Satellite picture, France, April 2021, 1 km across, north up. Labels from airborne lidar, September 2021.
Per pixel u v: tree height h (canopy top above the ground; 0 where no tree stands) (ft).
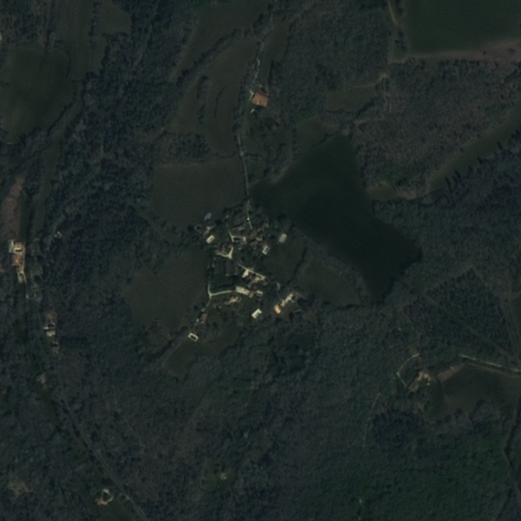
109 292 58
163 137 37
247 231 21
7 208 0
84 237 48
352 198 0
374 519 60
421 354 20
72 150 56
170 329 0
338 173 0
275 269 0
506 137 0
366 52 63
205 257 0
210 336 75
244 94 45
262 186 0
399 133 56
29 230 25
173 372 0
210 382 78
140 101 23
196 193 0
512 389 0
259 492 30
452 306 32
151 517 59
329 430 53
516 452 60
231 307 43
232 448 37
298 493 47
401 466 75
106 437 52
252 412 29
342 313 52
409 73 50
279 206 0
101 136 61
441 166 51
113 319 49
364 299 57
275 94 58
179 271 0
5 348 71
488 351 51
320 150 0
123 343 40
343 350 52
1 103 0
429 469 70
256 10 0
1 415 41
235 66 0
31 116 0
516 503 43
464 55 0
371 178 76
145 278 0
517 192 42
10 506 62
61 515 73
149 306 0
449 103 52
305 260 50
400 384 25
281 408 59
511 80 36
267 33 27
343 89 44
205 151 34
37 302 0
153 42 24
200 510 50
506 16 0
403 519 74
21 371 77
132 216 38
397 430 72
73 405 45
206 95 44
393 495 82
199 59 0
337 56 62
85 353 61
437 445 72
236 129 38
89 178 33
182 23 53
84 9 0
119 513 0
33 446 72
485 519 95
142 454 42
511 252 61
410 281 71
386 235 0
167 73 36
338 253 0
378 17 54
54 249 50
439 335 47
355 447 54
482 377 0
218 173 0
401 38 57
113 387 53
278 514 41
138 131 31
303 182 0
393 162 41
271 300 52
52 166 0
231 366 82
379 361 56
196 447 47
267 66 0
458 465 76
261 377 73
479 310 48
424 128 44
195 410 42
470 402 0
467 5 0
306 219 0
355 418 54
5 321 91
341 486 62
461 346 44
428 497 83
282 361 29
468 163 0
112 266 52
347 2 49
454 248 66
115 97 43
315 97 69
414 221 84
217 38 0
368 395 54
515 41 0
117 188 33
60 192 24
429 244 76
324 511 77
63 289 30
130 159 59
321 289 0
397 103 41
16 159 28
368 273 0
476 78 46
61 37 0
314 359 37
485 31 0
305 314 48
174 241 0
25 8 36
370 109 47
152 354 0
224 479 0
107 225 39
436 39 0
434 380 0
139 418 39
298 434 46
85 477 36
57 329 44
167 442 44
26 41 34
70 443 40
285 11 30
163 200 0
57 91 0
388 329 26
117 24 0
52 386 31
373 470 53
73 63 0
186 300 0
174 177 0
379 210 61
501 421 31
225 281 0
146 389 54
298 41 42
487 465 94
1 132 29
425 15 0
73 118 0
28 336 49
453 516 83
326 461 40
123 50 29
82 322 28
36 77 0
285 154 44
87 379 48
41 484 36
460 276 49
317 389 52
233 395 65
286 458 37
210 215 0
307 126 0
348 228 0
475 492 81
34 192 29
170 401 41
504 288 53
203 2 41
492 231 59
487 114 51
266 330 39
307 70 48
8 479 29
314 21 49
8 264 60
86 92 43
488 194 46
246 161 30
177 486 43
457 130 30
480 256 60
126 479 27
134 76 36
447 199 22
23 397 81
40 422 98
